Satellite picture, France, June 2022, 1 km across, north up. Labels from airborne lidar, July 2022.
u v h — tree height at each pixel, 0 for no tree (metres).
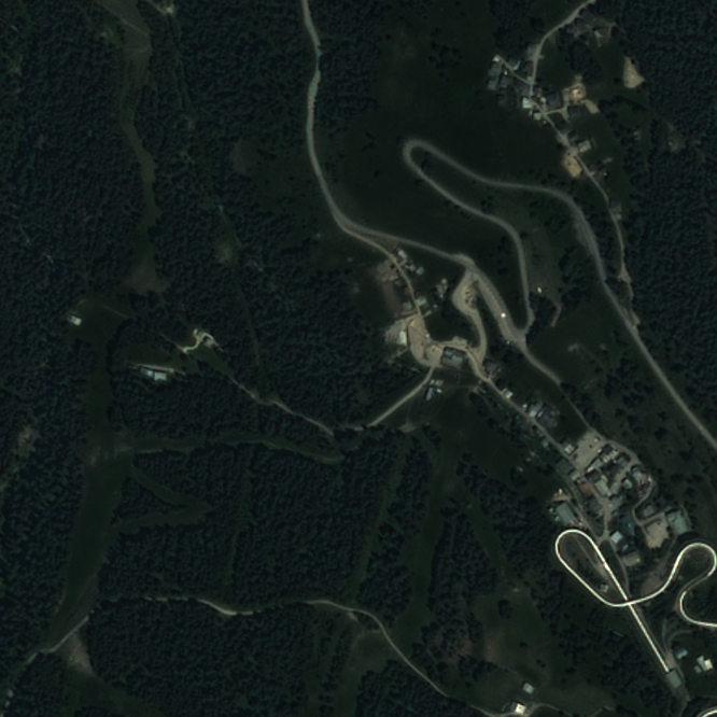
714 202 27
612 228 12
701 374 31
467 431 0
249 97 22
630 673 22
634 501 12
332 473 15
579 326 0
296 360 17
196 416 25
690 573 0
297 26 12
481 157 0
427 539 0
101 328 0
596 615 9
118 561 27
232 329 14
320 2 17
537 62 0
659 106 20
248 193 15
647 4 25
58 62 24
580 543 0
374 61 24
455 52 13
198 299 25
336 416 14
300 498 31
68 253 25
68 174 33
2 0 28
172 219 21
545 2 0
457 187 0
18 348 32
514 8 24
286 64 19
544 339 0
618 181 0
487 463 0
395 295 0
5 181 6
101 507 0
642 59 22
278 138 10
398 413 0
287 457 28
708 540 0
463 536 21
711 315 27
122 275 17
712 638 12
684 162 17
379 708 26
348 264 0
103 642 25
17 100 6
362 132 0
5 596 6
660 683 9
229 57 26
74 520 22
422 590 0
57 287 30
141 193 19
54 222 29
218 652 21
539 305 18
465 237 0
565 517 0
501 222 0
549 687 0
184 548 22
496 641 0
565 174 0
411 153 0
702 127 20
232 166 16
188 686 21
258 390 7
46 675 17
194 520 0
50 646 0
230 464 31
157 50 17
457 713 30
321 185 0
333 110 16
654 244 19
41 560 33
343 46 11
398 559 31
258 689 31
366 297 0
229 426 33
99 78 11
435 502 0
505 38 27
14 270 31
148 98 14
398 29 0
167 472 24
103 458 0
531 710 0
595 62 25
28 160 28
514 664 0
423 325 0
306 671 12
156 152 17
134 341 19
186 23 8
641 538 18
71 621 0
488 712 0
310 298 24
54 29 16
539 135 0
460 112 0
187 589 29
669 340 12
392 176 0
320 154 0
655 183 18
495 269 0
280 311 8
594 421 25
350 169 0
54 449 24
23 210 22
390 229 0
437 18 0
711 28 25
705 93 14
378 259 0
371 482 23
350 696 0
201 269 28
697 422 0
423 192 0
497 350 17
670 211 24
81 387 19
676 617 11
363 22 20
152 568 27
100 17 12
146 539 20
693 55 24
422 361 0
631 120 0
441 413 0
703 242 22
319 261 0
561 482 0
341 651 14
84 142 31
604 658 12
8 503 9
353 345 33
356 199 0
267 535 20
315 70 0
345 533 19
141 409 24
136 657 27
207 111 11
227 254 0
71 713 0
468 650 0
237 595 21
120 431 14
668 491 10
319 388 25
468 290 0
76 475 25
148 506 27
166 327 23
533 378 0
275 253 22
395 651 0
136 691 18
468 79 0
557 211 13
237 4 9
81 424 29
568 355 0
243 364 19
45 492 31
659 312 18
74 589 0
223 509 19
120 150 19
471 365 0
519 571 10
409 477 24
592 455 0
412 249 0
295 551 20
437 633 27
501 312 0
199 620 15
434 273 0
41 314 21
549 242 0
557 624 14
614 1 26
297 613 20
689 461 28
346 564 22
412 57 0
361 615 12
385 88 0
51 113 21
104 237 14
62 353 27
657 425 0
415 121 0
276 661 16
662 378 0
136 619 28
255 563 25
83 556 0
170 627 13
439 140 0
